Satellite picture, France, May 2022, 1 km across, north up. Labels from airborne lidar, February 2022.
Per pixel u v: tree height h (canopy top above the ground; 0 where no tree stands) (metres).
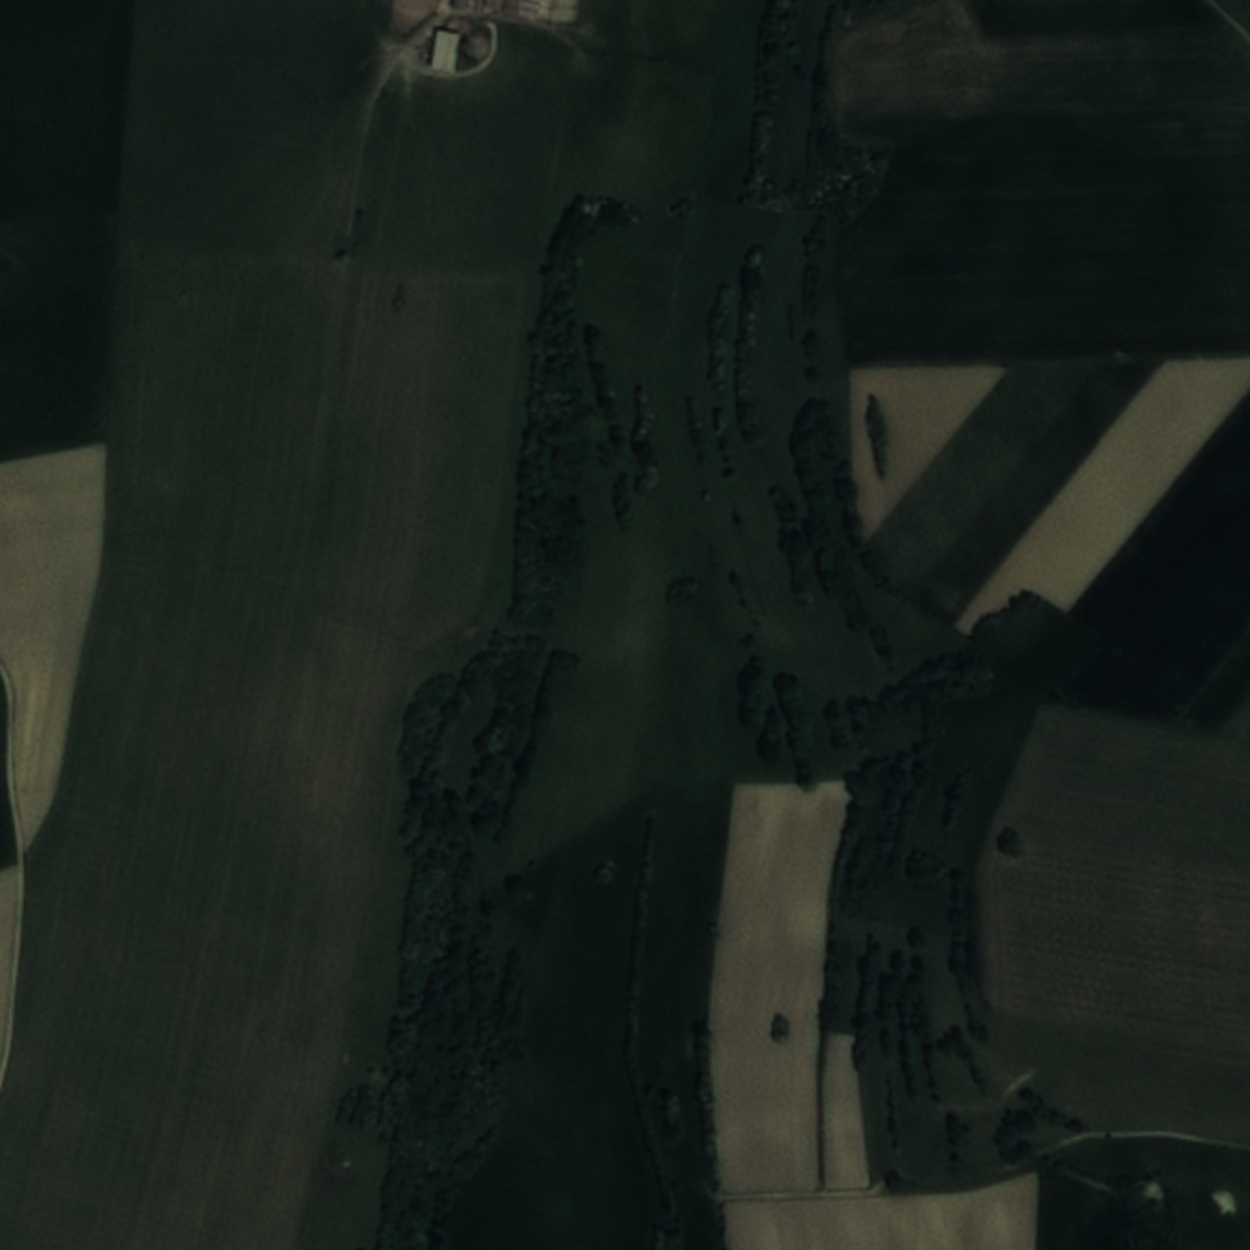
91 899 0
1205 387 0
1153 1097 0
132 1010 0
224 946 0
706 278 0
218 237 0
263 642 0
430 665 0
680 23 0
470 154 0
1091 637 0
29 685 0
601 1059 0
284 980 0
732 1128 0
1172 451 0
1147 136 0
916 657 0
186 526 0
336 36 0
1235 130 0
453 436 0
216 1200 0
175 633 0
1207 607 0
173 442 0
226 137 0
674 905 0
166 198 0
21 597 0
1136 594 0
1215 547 0
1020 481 0
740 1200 0
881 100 0
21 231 0
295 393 0
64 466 0
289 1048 0
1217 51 0
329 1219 0
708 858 0
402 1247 7
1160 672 0
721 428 8
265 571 0
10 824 0
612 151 0
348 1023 0
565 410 9
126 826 0
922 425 0
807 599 13
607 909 0
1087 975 0
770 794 0
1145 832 0
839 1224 0
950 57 0
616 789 0
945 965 0
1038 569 0
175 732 0
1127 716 0
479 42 0
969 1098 0
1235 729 0
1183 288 0
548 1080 0
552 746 0
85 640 0
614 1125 0
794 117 0
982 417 0
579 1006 0
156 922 0
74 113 0
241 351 0
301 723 0
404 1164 6
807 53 0
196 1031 0
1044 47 0
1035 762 0
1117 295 0
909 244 0
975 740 0
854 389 0
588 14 0
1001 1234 0
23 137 0
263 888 0
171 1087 0
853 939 0
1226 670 0
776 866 0
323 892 0
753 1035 0
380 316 0
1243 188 0
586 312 0
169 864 0
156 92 0
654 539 0
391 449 0
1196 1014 0
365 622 0
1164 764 0
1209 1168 0
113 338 0
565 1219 0
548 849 0
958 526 0
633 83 0
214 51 0
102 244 0
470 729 0
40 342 0
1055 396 0
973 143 0
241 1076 0
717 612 0
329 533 0
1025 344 0
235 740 0
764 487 0
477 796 10
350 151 0
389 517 0
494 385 0
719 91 0
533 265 0
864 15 0
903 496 0
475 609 0
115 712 0
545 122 0
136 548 0
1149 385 0
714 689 0
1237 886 0
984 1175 0
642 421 7
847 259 0
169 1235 0
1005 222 0
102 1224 0
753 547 0
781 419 0
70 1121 0
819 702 0
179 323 0
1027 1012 0
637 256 0
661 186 0
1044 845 0
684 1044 0
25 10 0
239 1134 0
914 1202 0
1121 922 0
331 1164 0
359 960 0
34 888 0
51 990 0
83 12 0
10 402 0
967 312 0
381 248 0
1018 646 0
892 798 10
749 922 0
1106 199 0
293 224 0
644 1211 0
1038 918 0
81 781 0
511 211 0
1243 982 0
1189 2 0
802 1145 0
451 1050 8
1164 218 0
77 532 0
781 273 0
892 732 0
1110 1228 0
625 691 0
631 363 0
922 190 0
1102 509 0
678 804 0
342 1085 0
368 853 0
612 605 0
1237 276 0
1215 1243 0
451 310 0
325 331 0
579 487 20
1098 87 0
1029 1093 8
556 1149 0
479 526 0
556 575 8
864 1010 12
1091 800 0
